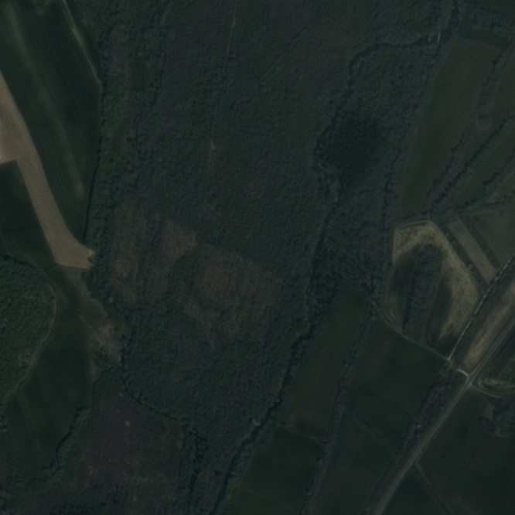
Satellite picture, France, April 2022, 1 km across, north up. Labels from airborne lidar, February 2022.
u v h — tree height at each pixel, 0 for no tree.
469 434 0
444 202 20
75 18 0
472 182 0
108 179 20
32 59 0
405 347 0
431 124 0
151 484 0
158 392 20
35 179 0
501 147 0
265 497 0
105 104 16
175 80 16
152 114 18
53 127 0
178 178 19
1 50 0
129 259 0
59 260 0
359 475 0
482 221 0
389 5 20
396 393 0
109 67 19
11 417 0
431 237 0
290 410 0
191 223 18
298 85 12
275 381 19
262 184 14
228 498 20
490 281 0
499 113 0
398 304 0
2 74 0
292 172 21
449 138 0
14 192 0
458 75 0
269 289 0
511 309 0
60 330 0
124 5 22
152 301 0
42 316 17
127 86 25
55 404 0
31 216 0
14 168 0
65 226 0
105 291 12
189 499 13
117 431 0
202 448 33
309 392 0
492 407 0
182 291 0
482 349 0
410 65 15
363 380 0
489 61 0
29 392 0
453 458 0
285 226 14
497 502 0
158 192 18
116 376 6
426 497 0
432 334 0
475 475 0
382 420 0
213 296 0
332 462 0
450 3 22
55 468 17
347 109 21
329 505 0
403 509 0
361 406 0
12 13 0
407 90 18
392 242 7
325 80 10
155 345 21
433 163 0
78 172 0
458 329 0
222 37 9
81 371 0
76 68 0
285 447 0
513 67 0
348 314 0
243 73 15
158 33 16
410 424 6
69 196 0
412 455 0
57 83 0
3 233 0
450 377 10
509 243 0
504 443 0
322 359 0
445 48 14
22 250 0
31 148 0
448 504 0
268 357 18
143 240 0
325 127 0
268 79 12
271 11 14
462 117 0
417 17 11
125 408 0
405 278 0
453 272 0
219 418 14
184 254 0
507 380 0
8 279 21
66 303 0
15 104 0
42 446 0
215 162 13
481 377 0
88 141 0
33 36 0
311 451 0
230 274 0
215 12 9
